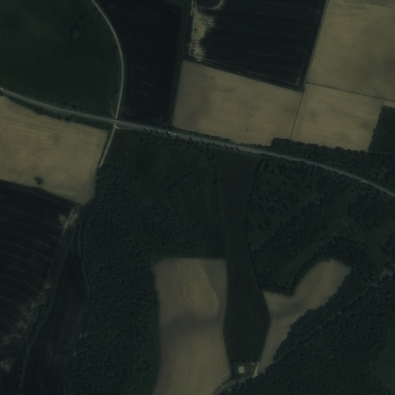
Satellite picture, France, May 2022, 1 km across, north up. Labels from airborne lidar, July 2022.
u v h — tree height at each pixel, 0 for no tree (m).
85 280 0
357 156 22
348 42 0
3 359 0
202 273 0
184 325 0
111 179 20
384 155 11
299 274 17
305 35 0
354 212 22
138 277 21
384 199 15
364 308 22
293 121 0
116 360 19
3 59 0
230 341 0
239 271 0
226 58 0
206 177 0
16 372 0
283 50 0
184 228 22
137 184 16
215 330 0
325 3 0
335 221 17
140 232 26
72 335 0
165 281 0
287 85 0
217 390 0
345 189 20
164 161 0
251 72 0
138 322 20
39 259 0
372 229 22
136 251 23
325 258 21
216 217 0
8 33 0
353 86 0
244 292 0
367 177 15
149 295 24
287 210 28
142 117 0
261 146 12
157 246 0
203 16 0
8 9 0
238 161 0
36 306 0
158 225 29
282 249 25
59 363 0
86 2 0
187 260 0
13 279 0
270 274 22
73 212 0
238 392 16
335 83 0
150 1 0
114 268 27
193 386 0
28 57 0
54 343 0
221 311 0
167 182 0
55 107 0
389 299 27
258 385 14
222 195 0
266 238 0
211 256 0
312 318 26
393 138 10
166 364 0
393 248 24
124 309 24
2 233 0
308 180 23
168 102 0
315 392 23
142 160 0
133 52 0
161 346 0
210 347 0
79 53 0
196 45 0
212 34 0
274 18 0
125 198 24
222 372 0
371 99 0
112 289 23
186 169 0
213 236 0
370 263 18
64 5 0
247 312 0
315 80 0
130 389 23
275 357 11
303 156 17
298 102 0
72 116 7
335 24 0
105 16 0
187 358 0
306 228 25
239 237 0
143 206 24
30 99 0
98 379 23
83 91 0
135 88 0
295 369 23
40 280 0
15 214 0
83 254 15
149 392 0
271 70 0
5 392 0
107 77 0
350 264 16
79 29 13
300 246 23
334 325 20
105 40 0
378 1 0
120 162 0
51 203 0
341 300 19
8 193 0
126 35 0
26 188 0
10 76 0
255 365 0
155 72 0
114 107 0
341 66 0
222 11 0
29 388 0
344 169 16
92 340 20
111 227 27
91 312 21
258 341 0
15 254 0
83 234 18
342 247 25
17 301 0
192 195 0
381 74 0
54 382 0
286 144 18
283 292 19
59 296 0
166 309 0
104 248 28
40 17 0
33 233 0
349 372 24
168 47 0
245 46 0
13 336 0
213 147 13
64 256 0
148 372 24
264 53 0
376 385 23
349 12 0
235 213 0
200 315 0
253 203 23
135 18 0
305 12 0
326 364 19
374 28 0
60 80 0
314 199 0
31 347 0
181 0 0
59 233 0
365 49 0
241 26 0
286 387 0
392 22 0
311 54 0
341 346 26
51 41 0
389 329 22
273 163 6
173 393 0
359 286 23
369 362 18
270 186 25
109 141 0
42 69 0
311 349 23
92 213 22
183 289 0
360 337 23
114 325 21
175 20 0
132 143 0
